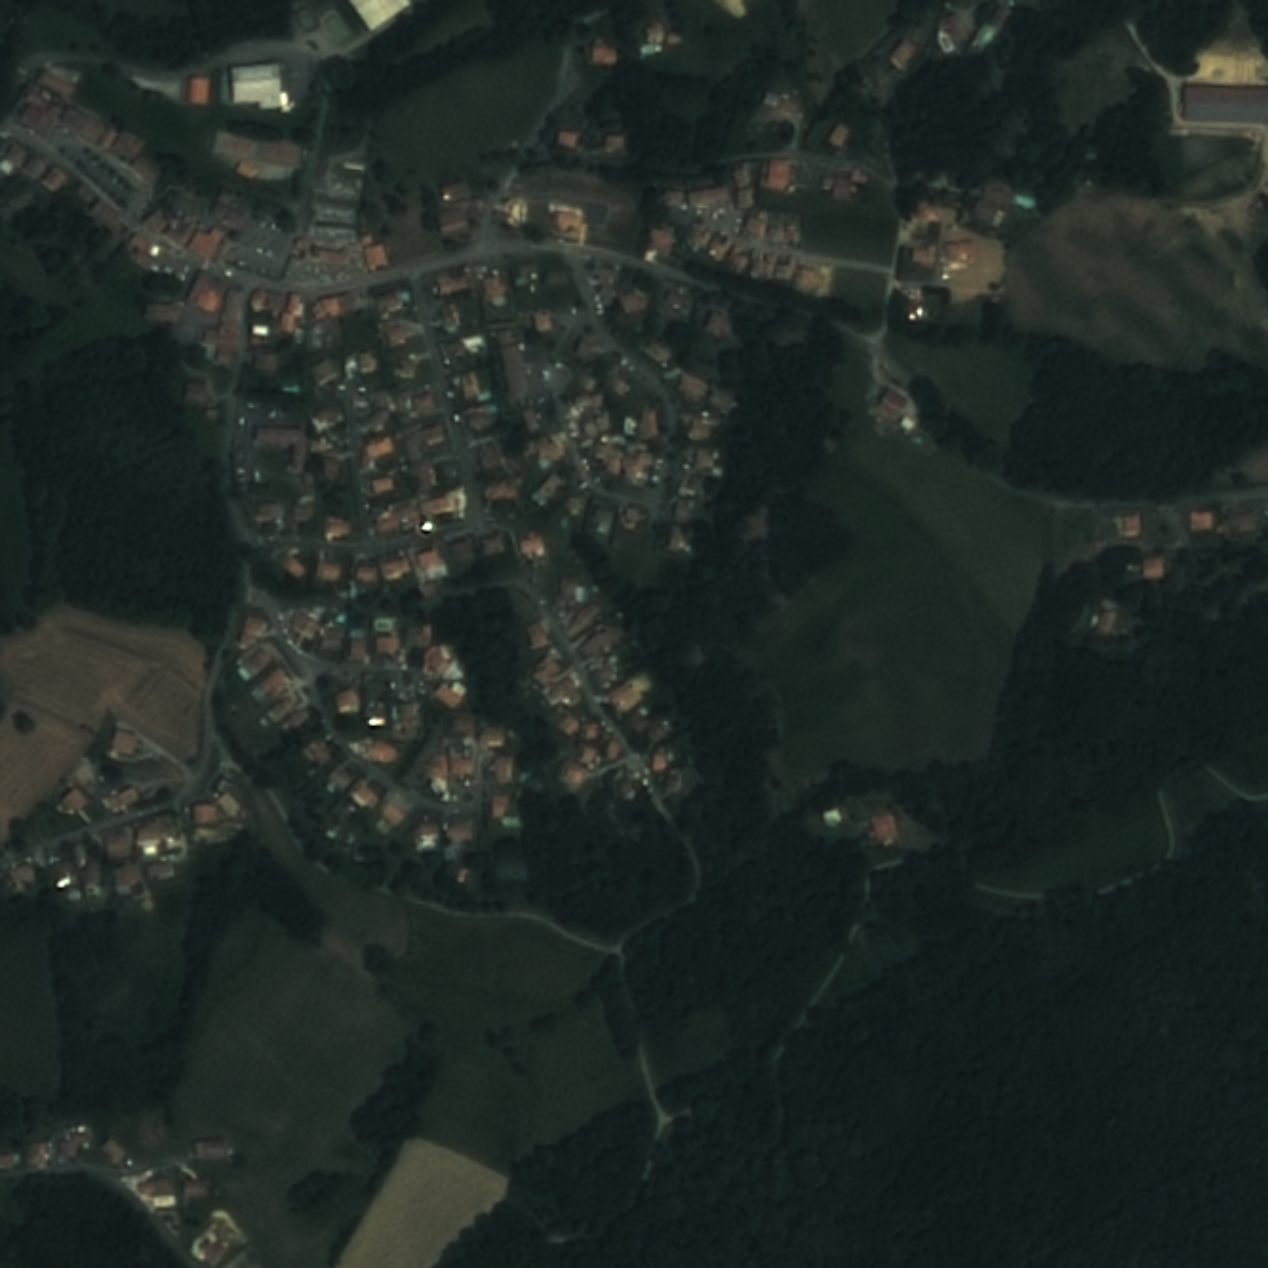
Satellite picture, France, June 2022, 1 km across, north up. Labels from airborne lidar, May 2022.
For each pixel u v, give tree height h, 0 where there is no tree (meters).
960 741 0
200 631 23
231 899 23
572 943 0
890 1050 19
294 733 15
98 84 0
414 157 0
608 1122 17
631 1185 19
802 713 0
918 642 0
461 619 8
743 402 17
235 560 14
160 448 23
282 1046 0
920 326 8
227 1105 0
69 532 25
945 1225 18
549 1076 0
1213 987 12
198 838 0
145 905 0
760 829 23
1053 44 17
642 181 9
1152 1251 12
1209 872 21
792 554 26
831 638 0
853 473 0
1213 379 19
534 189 0
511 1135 0
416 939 0
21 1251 19
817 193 0
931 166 15
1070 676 20
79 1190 16
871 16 0
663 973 17
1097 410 26
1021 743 15
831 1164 28
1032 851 29
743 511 11
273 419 0
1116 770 19
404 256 0
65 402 24
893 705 0
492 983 0
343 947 0
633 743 10
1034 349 10
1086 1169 15
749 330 21
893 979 12
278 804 0
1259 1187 27
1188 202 0
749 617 22
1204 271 0
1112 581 17
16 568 0
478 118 0
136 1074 20
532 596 0
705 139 9
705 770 19
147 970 0
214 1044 0
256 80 0
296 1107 0
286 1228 0
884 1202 18
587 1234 17
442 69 16
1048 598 17
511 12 16
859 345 0
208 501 26
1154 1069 12
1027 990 22
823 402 23
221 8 25
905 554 0
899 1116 24
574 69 0
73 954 26
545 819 18
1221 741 14
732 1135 20
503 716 23
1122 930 23
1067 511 0
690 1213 26
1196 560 12
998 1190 19
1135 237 0
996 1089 10
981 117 18
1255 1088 25
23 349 19
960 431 22
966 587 0
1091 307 0
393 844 7
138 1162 0
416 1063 13
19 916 15
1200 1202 19
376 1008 0
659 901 20
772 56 7
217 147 0
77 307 7
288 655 0
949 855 18
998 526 0
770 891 18
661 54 0
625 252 0
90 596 26
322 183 0
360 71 17
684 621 21
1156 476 26
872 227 0
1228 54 0
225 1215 0
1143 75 11
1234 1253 24
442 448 0
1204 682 22
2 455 0
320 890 0
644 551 0
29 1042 0
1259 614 25
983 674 0
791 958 19
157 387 19
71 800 0
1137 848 0
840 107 7
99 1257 15
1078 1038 12
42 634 0
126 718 0
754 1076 21
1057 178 9
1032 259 0
